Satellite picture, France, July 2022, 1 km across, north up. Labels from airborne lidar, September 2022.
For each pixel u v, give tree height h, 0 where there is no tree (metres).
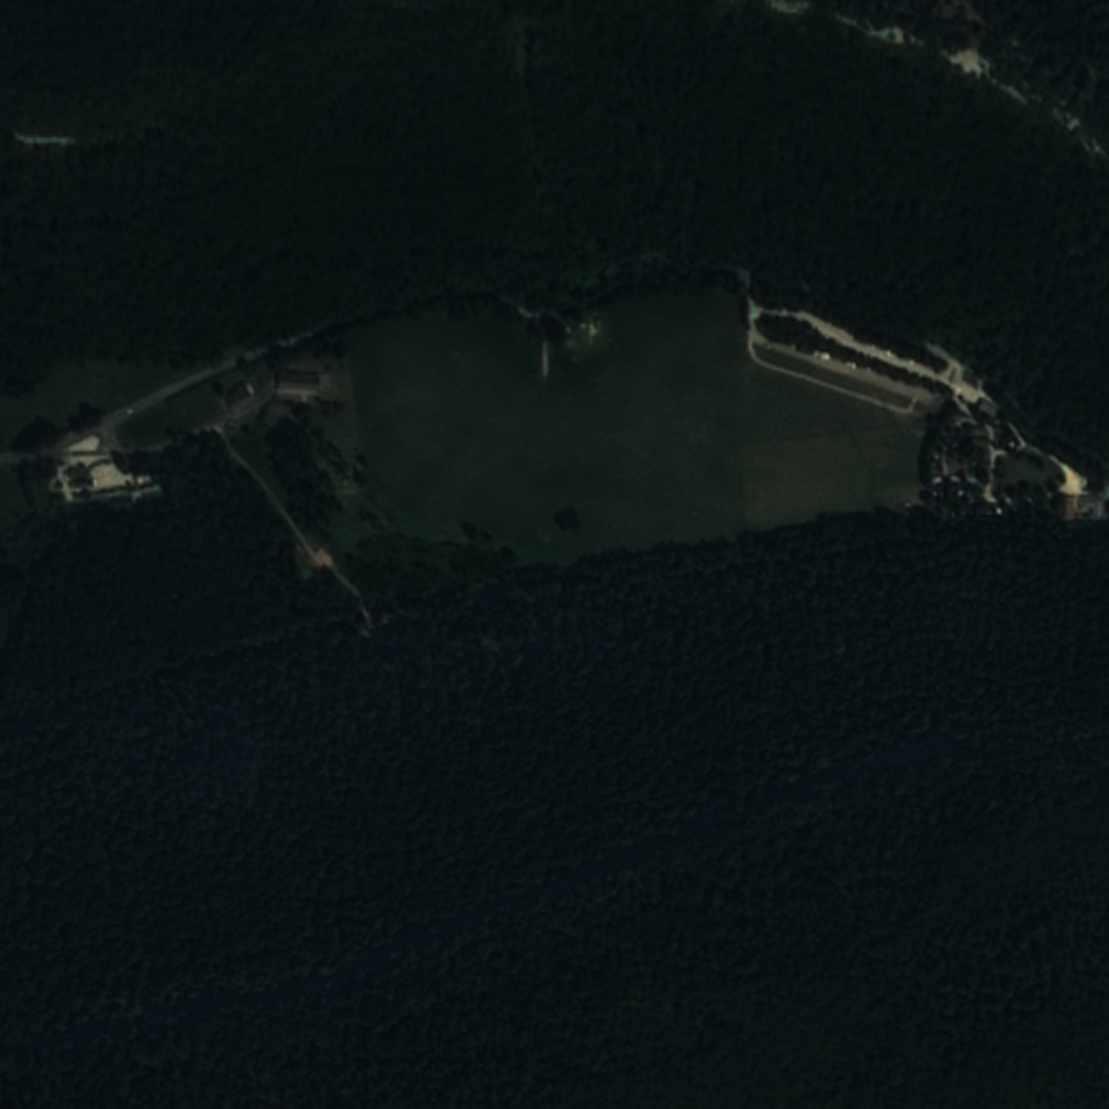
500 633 17
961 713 23
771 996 16
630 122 31
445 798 25
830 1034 17
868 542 19
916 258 23
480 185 26
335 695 30
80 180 28
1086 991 19
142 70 6
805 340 12
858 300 34
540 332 19
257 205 35
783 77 33
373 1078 17
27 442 21
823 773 20
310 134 30
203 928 42
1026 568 31
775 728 32
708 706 32
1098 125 10
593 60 25
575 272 8
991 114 17
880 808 19
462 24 24
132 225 29
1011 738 39
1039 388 20
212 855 28
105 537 30
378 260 23
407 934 13
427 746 28
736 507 0
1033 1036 14
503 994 29
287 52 9
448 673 30
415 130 28
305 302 19
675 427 0
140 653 25
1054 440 16
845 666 16
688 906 23
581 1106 15
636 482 0
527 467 0
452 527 0
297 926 29
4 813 35
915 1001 16
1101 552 28
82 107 19
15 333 22
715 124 38
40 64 17
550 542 0
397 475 0
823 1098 19
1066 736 20
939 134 25
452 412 0
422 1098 21
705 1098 13
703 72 42
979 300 17
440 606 24
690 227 24
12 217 23
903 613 22
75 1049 22
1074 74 9
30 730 37
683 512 0
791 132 32
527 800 28
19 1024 28
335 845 31
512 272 18
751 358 0
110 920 32
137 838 37
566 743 32
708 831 15
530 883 24
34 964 49
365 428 0
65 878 30
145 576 28
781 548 23
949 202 22
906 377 12
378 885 37
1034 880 16
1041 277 24
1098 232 18
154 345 14
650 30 23
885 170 25
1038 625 28
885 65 29
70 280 31
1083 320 23
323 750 29
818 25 25
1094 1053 19
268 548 18
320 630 19
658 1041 19
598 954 22
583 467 0
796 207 25
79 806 31
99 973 38
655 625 26
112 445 0
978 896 17
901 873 21
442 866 27
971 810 28
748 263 19
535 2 28
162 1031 19
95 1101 16
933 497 13
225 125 34
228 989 18
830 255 22
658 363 0
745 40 33
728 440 0
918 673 25
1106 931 9
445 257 27
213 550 27
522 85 23
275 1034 20
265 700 22
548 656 23
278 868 39
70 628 28
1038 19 13
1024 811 24
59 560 22
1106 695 34
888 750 18
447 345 0
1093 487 11
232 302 22
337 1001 20
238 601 19
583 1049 23
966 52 0
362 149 32
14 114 15
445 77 29
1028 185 27
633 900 20
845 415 0
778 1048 16
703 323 0
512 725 32
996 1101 18
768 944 23
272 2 25
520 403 0
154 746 22
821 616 26
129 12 16
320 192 33
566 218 25
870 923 26
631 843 24
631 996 15
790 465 0
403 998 20
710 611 32
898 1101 19
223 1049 18
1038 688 29
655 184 25
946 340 17
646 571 22
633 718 27
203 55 7
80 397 0
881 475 0
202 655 7
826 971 19
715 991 18
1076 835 12
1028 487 13
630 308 0
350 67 24
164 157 25
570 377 0
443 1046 26
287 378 0
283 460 22
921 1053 18
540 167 23
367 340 0
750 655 38
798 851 21
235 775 24
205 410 0
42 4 17
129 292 19
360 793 38
